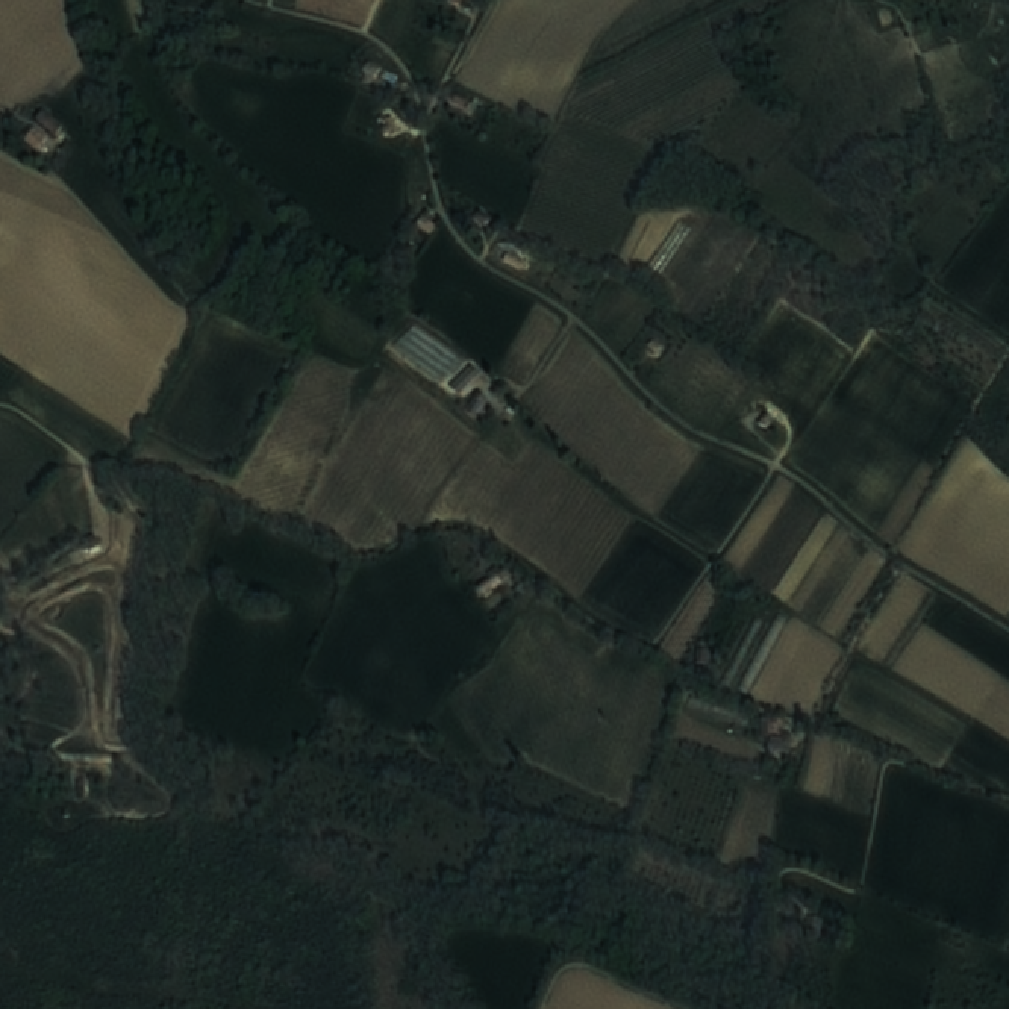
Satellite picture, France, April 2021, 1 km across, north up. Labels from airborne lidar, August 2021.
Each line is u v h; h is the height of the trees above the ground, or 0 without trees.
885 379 0
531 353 0
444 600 0
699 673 10
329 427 0
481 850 8
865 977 0
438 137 0
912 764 15
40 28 0
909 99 0
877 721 0
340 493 0
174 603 16
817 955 13
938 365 6
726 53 15
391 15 0
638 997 0
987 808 0
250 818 12
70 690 0
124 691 12
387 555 6
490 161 0
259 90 0
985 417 6
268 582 0
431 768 6
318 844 15
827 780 0
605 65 6
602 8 0
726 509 0
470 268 0
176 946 13
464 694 0
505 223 15
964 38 0
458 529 7
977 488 0
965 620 0
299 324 21
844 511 0
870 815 0
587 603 0
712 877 19
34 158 7
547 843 13
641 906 25
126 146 20
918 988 0
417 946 11
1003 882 0
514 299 0
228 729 0
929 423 0
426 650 0
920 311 7
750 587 10
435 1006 16
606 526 0
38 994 6
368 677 0
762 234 6
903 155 13
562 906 11
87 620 0
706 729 0
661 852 20
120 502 17
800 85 0
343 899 9
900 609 0
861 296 14
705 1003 14
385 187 0
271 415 12
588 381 0
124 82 20
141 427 14
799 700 0
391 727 0
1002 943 0
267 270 25
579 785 0
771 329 0
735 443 0
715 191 21
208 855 8
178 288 12
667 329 11
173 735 20
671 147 12
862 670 0
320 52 0
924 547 0
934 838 0
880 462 0
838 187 18
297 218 17
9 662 16
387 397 0
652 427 0
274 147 0
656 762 7
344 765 11
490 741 0
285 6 0
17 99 0
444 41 12
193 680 0
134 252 0
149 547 17
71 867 6
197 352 0
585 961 14
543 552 0
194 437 0
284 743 0
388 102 13
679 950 19
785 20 0
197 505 18
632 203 14
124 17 0
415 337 0
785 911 13
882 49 0
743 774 10
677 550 0
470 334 0
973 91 0
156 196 14
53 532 0
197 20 7
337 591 7
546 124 16
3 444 0
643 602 0
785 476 0
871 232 21
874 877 0
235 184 0
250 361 0
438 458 0
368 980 18
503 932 13
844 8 0
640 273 17
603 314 0
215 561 0
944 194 0
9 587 15
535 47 0
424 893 13
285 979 15
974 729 0
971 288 0
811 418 0
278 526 16
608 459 0
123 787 0
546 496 0
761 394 0
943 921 7
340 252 14
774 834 0
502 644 0
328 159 0
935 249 0
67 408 0
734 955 14
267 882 11
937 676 0
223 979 6
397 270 13
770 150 0
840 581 0
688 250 0
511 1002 0
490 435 0
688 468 0
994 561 0
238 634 0
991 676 0
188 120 6
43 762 14
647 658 11
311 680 0
